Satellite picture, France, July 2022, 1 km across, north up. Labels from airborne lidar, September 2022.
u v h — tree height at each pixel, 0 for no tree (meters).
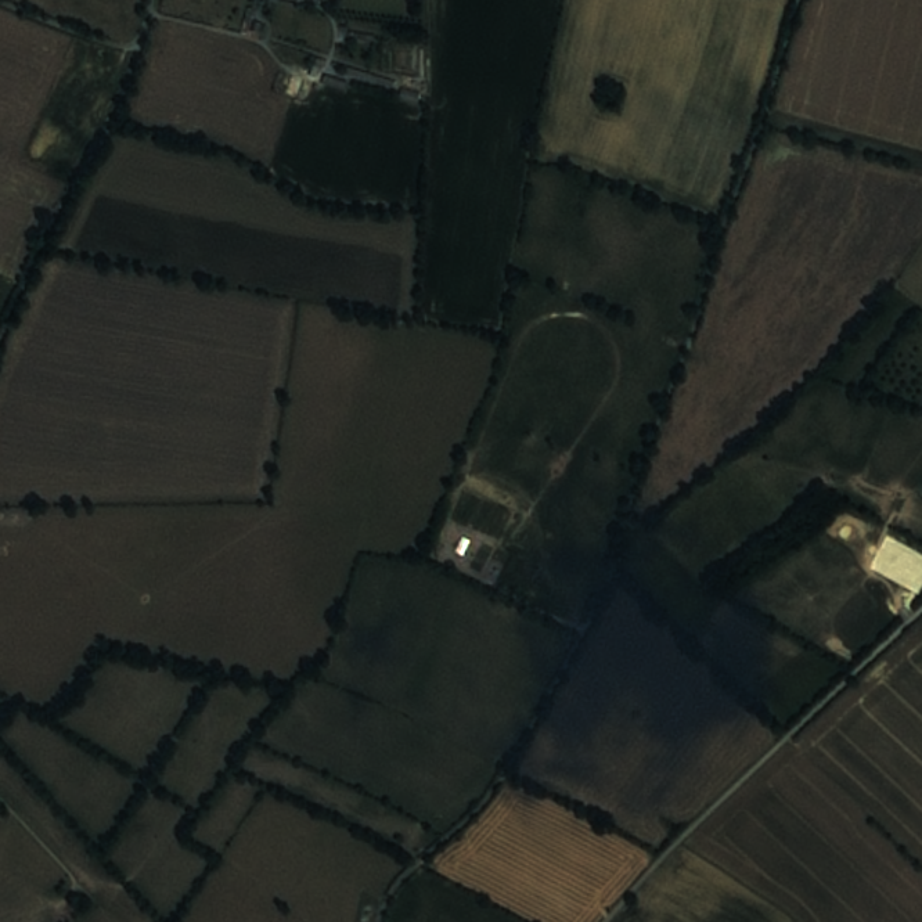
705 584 18
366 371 0
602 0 0
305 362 0
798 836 0
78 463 0
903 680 0
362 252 0
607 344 0
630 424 0
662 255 0
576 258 0
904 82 0
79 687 19
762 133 8
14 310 9
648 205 20
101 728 0
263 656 0
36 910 0
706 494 0
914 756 0
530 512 0
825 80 0
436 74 0
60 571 0
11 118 0
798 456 0
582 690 0
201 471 0
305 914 0
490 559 0
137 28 0
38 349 0
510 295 9
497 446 0
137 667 14
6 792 0
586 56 0
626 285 0
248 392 0
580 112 0
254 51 0
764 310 0
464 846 0
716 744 0
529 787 17
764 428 16
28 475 0
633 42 0
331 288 0
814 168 0
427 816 0
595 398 0
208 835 0
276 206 0
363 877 0
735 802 0
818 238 0
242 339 0
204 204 0
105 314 0
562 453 0
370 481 0
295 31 0
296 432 0
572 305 0
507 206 0
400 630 0
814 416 0
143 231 0
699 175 0
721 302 0
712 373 0
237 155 10
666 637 0
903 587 0
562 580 0
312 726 0
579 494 0
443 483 13
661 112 0
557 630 10
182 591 0
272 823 0
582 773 0
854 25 0
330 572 0
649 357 0
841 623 0
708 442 0
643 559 0
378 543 0
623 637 0
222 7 0
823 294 0
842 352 11
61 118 0
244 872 0
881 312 17
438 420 0
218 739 0
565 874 0
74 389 0
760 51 0
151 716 0
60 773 0
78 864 0
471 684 0
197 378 0
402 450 0
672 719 0
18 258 0
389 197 0
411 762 0
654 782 0
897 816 0
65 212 13
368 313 19
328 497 0
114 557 0
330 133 0
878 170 0
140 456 0
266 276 0
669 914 0
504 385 0
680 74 0
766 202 0
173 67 0
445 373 0
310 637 0
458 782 0
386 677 0
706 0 0
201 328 0
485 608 0
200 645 0
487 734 0
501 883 0
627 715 0
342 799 0
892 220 0
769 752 0
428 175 10
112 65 0
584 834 0
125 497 0
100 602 0
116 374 0
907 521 0
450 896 0
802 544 12
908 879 0
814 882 0
